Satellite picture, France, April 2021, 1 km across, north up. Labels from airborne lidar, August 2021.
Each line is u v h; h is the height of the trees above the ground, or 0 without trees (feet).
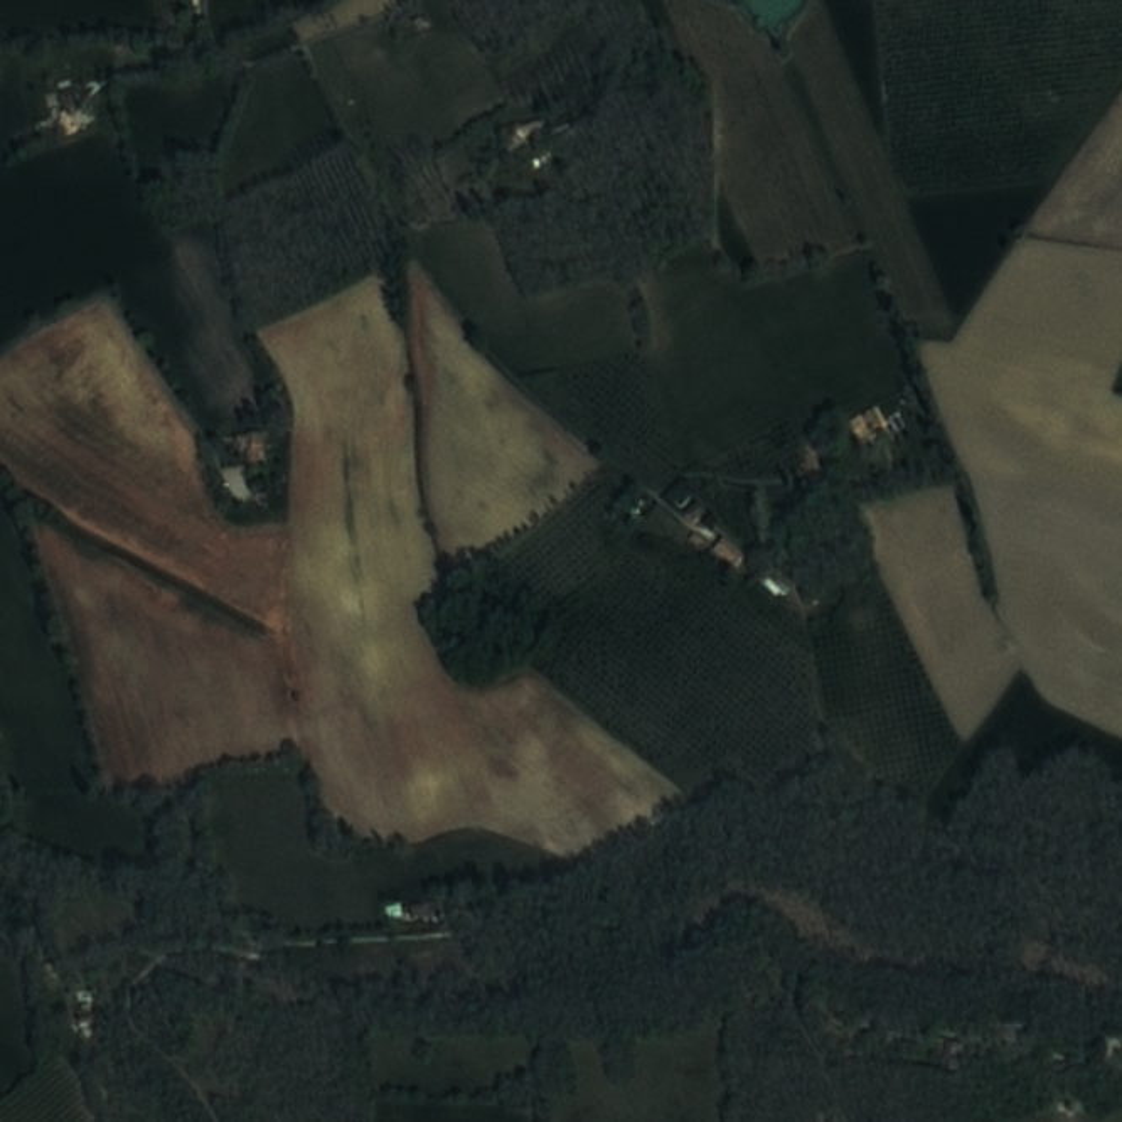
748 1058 47
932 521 0
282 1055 35
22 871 59
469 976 38
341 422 0
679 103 61
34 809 0
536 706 0
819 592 60
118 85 42
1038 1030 35
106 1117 57
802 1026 40
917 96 20
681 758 0
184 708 0
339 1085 37
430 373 0
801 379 0
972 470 0
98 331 0
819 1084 51
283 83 0
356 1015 35
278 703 0
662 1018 52
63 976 68
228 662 0
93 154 0
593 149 73
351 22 0
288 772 32
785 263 26
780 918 37
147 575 0
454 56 0
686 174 70
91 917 0
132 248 0
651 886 50
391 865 0
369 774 0
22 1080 27
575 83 24
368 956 0
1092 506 0
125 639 0
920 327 29
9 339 0
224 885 79
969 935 52
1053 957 22
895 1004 53
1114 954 29
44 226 0
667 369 0
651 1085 0
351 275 83
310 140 0
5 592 0
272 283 52
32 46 59
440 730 0
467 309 0
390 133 0
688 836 61
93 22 0
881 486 55
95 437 0
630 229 50
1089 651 0
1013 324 0
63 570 0
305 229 70
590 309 0
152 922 52
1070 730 0
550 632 111
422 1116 0
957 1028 36
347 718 0
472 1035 42
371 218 119
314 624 0
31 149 45
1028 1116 35
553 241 60
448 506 0
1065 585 0
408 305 84
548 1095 52
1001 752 70
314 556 0
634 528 46
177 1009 31
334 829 64
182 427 0
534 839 0
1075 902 54
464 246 0
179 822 85
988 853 49
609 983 59
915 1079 42
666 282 0
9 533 0
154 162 0
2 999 0
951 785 0
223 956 29
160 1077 31
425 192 92
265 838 0
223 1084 20
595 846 0
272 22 73
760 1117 52
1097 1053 45
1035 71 18
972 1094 36
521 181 24
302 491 0
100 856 0
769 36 0
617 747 0
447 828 0
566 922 82
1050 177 0
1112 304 0
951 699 0
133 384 0
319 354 0
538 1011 60
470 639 81
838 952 33
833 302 0
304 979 48
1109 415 0
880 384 0
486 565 71
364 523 0
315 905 0
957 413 0
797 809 44
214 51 44
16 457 0
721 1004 44
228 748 0
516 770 0
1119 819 78
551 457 0
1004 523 0
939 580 0
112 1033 32
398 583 0
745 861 45
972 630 0
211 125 0
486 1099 38
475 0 47
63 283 0
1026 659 0
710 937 27
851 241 0
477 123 32
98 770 29
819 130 0
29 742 0
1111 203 0
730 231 0
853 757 45
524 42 55
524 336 0
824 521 80
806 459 0
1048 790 60
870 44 0
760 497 43
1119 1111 35
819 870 53
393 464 0
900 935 43
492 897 103
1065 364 0
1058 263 0
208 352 0
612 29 59
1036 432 0
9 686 0
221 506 46
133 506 0
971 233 0
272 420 71
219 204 43
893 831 78
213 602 0
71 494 0
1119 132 0
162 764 0
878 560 38
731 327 0
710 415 0
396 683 0
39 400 0
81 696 26
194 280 0
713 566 21
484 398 0
